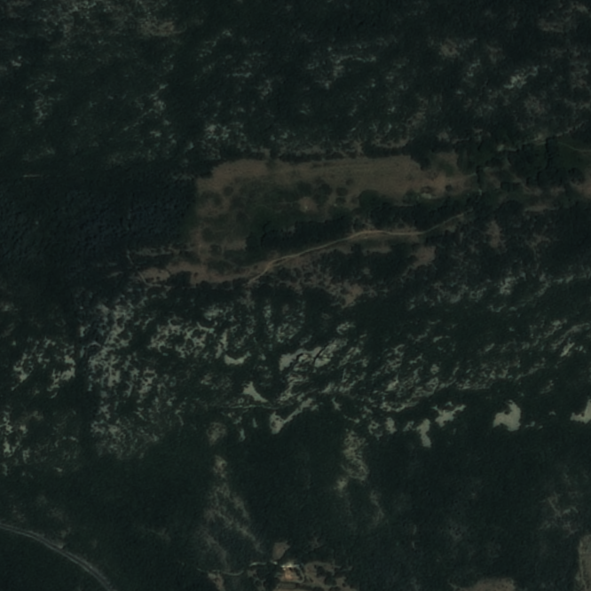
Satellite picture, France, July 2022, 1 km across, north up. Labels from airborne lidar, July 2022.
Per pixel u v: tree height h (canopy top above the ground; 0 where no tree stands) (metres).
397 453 10
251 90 7
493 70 6
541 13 10
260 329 9
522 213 7
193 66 7
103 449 7
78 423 5
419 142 14
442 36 6
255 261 0
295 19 9
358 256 8
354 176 0
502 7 8
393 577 8
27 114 7
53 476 11
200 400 9
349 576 9
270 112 6
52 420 6
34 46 10
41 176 7
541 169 12
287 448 9
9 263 13
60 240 12
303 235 10
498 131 21
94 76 7
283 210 0
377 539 6
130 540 15
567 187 8
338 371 7
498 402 8
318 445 8
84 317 11
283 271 5
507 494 7
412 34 8
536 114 6
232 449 9
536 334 6
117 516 17
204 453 6
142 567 13
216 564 5
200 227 0
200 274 0
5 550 8
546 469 7
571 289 9
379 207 9
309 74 6
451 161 0
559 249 9
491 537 6
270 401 6
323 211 0
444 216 13
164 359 6
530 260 6
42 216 11
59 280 10
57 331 6
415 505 9
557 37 6
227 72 6
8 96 7
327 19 9
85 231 14
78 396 13
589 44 7
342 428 7
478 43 7
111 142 8
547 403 9
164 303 7
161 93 7
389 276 10
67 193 16
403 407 9
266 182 0
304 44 9
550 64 6
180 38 7
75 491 11
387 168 0
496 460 6
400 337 7
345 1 10
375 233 0
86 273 7
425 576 6
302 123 7
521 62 8
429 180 0
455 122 10
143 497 9
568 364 8
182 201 9
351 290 0
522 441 9
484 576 7
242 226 0
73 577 6
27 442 7
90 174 11
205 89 13
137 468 7
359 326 8
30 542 10
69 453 6
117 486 10
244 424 8
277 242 11
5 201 16
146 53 7
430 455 8
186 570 8
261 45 9
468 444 7
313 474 6
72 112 8
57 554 8
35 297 6
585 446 8
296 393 16
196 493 7
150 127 6
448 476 6
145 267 6
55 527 7
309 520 7
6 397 7
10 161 12
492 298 6
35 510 7
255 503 6
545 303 8
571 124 7
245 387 6
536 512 5
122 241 8
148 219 12
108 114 6
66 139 7
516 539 6
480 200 6
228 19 6
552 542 7
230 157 9
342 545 9
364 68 7
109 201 16
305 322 7
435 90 9
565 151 0
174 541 9
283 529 10
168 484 9
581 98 6
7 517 7
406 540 7
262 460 8
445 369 8
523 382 6
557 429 9
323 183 0
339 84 8
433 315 6
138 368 6
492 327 7
